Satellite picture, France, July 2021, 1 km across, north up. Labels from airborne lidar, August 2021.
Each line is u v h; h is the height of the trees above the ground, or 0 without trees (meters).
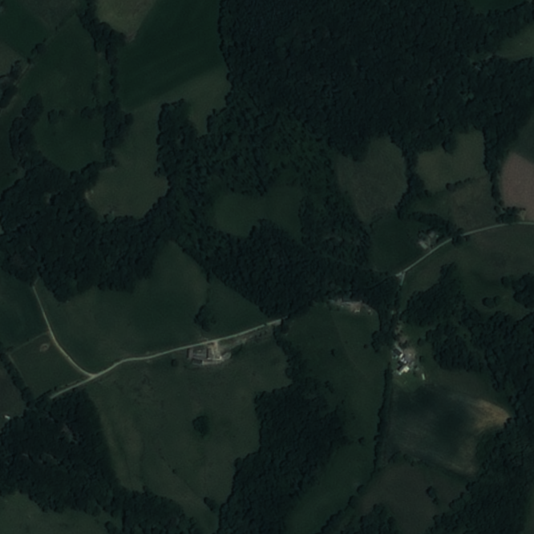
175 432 0
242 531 27
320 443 30
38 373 0
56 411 27
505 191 0
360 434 0
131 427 0
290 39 30
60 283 33
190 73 0
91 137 0
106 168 9
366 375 0
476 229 0
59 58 0
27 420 23
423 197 24
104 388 0
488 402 0
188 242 27
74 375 0
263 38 21
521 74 29
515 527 23
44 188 30
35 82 0
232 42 8
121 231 30
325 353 0
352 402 0
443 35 30
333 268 21
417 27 24
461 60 24
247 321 0
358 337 0
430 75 33
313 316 0
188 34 0
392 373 12
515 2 0
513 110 28
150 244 30
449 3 32
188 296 0
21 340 0
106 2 0
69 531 0
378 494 0
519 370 21
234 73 16
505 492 15
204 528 0
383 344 19
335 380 0
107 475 30
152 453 0
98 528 0
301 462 26
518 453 8
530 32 0
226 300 0
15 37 0
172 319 0
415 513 0
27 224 35
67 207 35
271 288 25
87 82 0
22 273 25
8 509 0
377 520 10
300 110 32
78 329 0
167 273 0
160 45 0
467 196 0
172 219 24
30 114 22
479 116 25
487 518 17
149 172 0
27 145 25
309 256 19
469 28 34
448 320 7
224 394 0
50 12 0
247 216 0
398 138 28
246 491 23
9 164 0
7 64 0
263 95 23
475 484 19
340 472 0
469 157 0
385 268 0
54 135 0
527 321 20
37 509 0
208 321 18
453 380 0
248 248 9
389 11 23
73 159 0
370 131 29
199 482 0
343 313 0
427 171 0
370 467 0
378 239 0
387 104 29
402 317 15
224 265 11
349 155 28
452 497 0
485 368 22
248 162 15
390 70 32
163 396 0
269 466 16
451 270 20
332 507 0
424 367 0
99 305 0
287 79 19
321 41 25
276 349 0
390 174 0
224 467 0
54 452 35
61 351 0
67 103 0
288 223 0
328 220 10
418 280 0
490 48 29
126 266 25
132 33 0
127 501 29
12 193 23
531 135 0
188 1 0
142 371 0
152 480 0
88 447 31
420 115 39
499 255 0
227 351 0
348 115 32
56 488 30
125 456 0
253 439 0
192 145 31
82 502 28
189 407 0
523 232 0
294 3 22
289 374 14
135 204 0
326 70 26
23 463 31
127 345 0
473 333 24
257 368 0
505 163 0
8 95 25
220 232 24
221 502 0
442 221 17
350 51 30
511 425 25
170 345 0
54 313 0
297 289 23
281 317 17
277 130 23
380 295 16
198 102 0
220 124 27
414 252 0
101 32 11
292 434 22
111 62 13
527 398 30
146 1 0
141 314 0
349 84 30
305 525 0
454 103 35
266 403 24
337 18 24
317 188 5
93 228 27
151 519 35
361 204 0
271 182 14
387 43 28
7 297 0
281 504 23
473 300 0
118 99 11
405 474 0
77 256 25
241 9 25
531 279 22
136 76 0
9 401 0
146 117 0
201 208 7
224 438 0
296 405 22
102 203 0
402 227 0
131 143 0
